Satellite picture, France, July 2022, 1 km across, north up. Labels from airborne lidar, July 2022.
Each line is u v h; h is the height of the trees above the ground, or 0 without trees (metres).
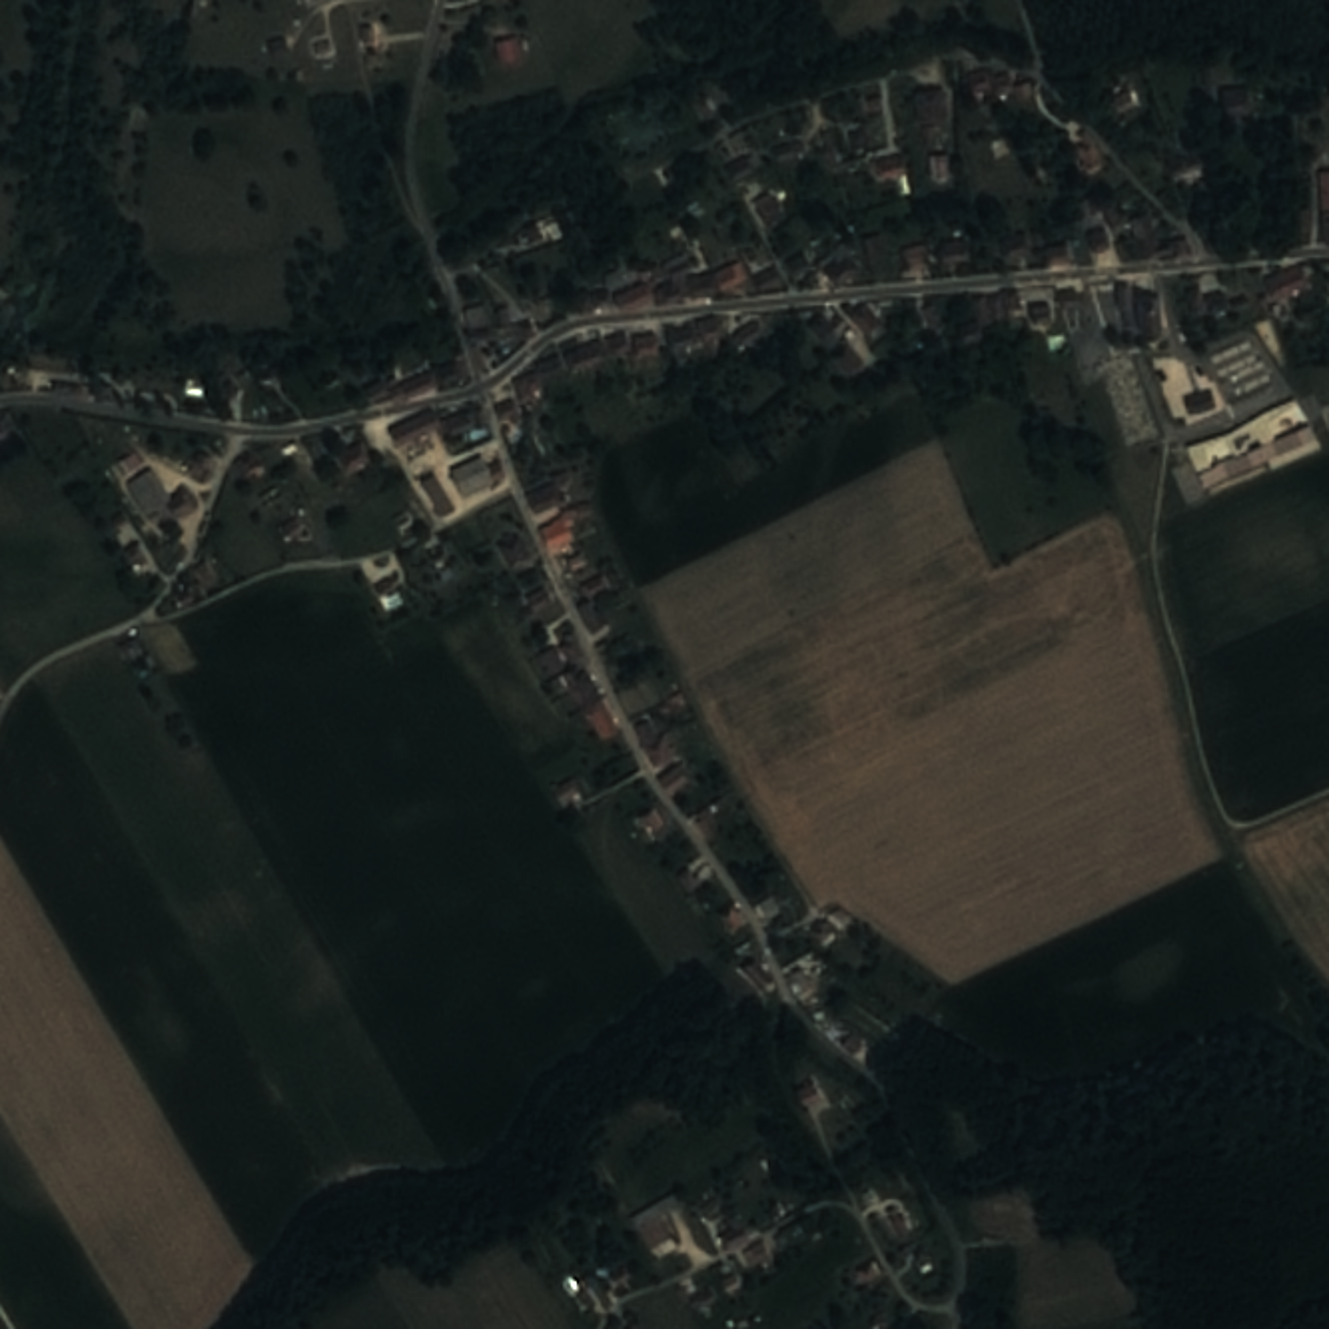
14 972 0
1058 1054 0
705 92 8
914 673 0
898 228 7
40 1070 0
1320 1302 22
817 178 17
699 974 15
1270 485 0
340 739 0
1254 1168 16
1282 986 0
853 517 0
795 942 7
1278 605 0
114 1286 0
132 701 0
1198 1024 0
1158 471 0
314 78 0
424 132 0
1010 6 0
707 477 0
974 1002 0
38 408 0
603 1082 15
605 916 0
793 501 0
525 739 0
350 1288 7
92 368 17
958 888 0
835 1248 0
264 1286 18
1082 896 0
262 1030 0
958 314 12
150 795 0
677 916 0
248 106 10
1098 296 0
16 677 0
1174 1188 20
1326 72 10
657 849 7
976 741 0
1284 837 0
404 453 0
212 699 0
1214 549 0
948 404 15
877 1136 10
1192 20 29
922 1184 8
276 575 0
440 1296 0
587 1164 8
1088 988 0
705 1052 20
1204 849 0
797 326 9
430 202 0
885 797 0
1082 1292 0
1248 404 0
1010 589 0
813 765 0
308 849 0
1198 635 0
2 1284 0
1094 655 0
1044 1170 27
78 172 10
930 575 0
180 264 0
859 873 0
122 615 0
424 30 0
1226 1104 23
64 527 0
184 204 0
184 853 0
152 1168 0
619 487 0
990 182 0
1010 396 9
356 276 9
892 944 0
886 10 0
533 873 0
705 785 7
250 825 0
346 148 7
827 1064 0
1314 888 0
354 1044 0
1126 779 0
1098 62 23
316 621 0
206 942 0
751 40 18
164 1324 0
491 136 8
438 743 0
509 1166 18
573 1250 7
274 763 0
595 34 0
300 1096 0
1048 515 0
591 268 12
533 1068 0
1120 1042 0
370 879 0
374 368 6
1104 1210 23
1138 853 0
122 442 0
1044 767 0
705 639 0
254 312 0
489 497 0
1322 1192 14
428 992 0
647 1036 18
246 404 0
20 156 14
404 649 0
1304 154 9
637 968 0
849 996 14
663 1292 0
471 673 0
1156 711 0
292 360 8
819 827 0
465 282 13
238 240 0
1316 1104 27
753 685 0
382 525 0
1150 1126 10
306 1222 16
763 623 0
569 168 14
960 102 12
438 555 0
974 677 0
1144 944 0
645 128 0
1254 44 32
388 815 0
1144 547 0
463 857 0
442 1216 16
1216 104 20
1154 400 0
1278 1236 16
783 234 8
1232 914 0
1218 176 15
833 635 0
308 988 0
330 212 0
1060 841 0
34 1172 0
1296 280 0
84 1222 0
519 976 0
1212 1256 17
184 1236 0
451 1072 0
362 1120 0
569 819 15
